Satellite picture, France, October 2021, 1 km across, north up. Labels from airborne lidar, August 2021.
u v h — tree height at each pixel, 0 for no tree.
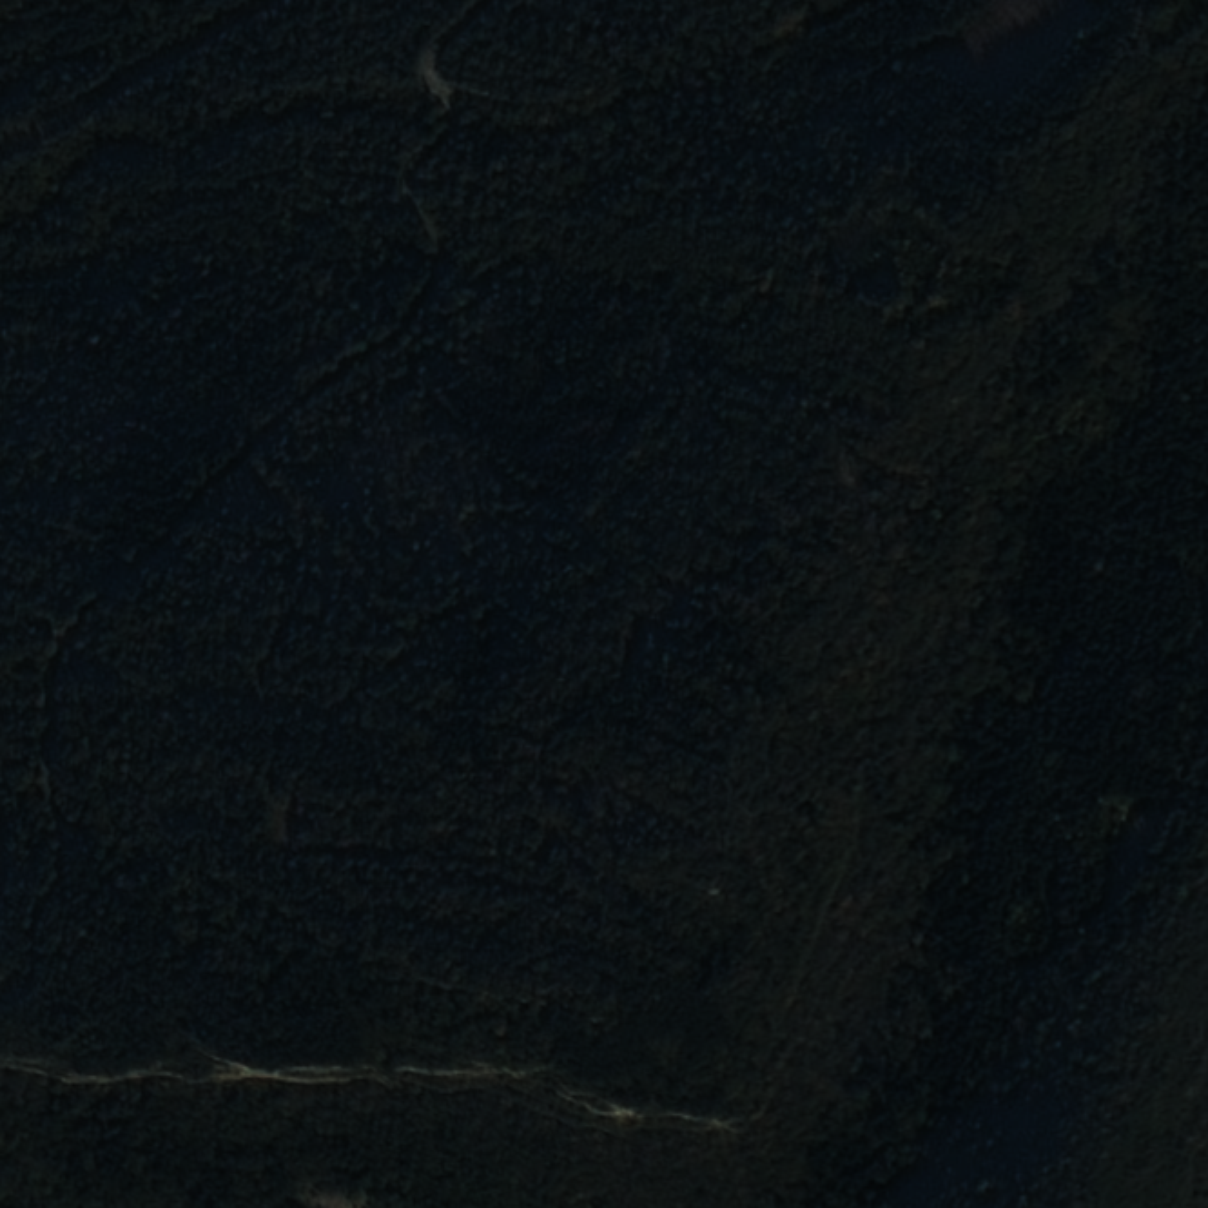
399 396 13
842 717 23
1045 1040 13
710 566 14
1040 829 27
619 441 23
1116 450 24
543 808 19
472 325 24
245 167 23
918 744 23
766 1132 23
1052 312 11
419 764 15
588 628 11
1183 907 11
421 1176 28
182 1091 22
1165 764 24
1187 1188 7
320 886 17
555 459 25
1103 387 20
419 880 16
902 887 23
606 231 11
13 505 14
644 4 10
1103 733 17
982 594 18
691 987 26
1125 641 38
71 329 15
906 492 23
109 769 11
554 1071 40
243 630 18
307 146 15
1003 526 25
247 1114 27
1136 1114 8
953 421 14
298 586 12
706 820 12
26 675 15
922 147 19
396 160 8
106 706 25
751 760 6
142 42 10
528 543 18
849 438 19
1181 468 35
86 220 11
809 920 10
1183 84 18
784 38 25
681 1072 20
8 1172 22
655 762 11
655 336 22
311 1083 12
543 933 22
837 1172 29
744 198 17
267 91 11
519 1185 22
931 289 11
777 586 14
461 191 7
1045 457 25
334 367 12
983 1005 35
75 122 13
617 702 16
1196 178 26
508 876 21
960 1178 17
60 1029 21
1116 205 9
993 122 19
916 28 18
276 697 11
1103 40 18
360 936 18
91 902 31
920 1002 19
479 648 9
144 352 19
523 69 8
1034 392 25
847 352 16
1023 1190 11
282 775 13
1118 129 15
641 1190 25
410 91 9
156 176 25
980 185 14
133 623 14
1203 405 28
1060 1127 12
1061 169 15
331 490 0
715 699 16
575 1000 8
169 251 26
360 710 13
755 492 15
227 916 18
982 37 18
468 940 20
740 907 21
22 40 23
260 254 27
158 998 19
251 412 17
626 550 21
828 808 21
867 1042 24
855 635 23
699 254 15
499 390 19
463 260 20
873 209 17
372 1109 24
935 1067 32
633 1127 10
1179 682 30
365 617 14
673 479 16
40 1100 23
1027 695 28
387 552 20
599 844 16
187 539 17
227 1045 23
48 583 14
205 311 25
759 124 8
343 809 7
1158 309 28
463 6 11
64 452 15
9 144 0
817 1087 22
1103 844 9
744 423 22
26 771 14
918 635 8
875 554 18
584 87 13
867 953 23
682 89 10
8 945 19
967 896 26
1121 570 33
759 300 16
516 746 12
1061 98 20
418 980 9
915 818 23
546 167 12
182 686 10
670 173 8
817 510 16
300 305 16
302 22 16
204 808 9
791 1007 8
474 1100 25
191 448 25
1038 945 11
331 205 11
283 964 10
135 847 7
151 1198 26
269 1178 33
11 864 16
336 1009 27
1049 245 20
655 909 7
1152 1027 10
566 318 14
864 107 14
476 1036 19
